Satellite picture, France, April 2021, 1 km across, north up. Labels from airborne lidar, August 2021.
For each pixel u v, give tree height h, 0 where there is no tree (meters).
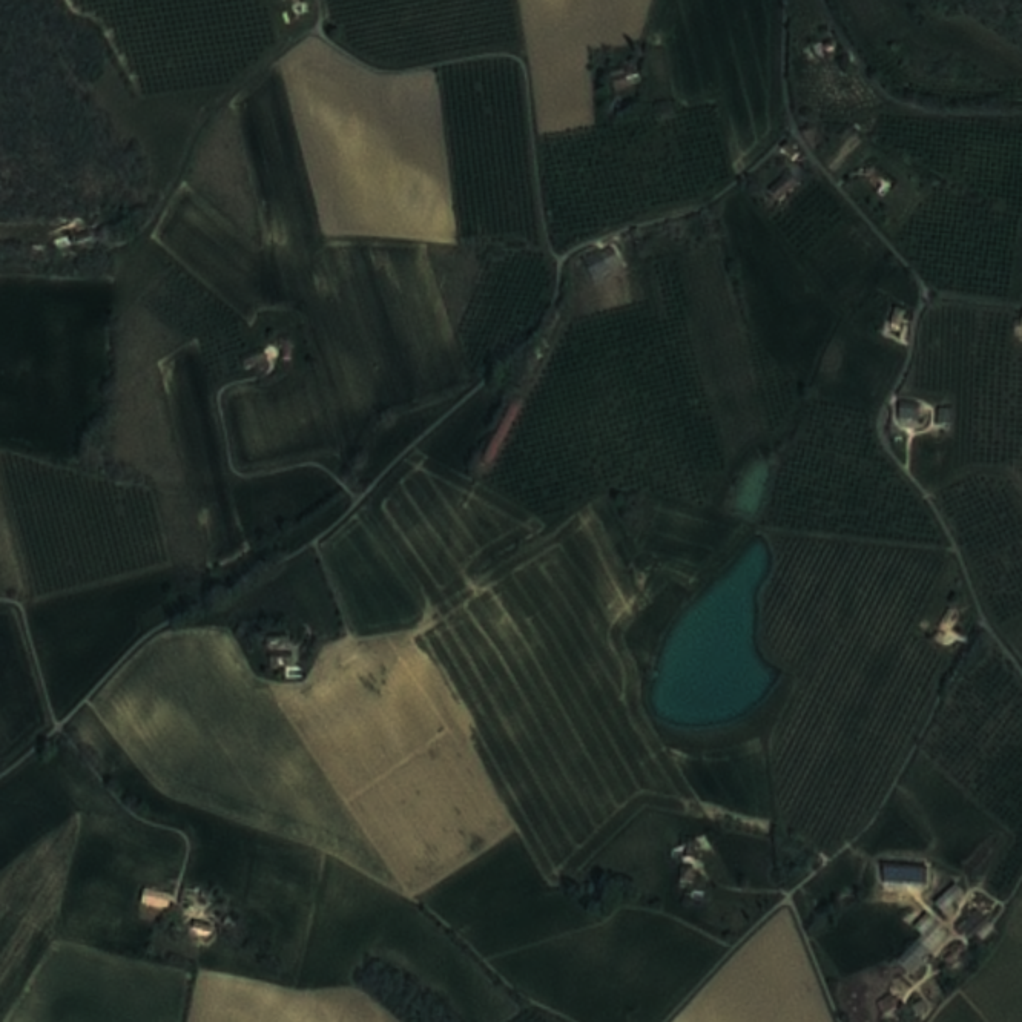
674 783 0
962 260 5
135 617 0
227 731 0
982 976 0
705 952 0
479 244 23
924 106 20
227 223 0
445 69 5
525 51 0
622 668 0
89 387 0
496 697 0
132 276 0
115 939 0
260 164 0
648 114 7
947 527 0
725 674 0
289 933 0
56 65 14
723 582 0
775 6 0
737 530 0
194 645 0
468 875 0
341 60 0
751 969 0
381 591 0
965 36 0
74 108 15
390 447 0
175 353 0
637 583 0
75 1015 0
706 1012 0
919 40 0
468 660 0
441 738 0
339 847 0
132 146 10
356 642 0
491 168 6
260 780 0
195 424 0
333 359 0
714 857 0
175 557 0
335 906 0
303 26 0
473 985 0
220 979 0
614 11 0
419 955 0
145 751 0
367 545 0
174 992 0
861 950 0
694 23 0
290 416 0
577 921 0
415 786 0
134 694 0
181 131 0
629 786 0
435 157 0
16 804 0
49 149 14
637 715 0
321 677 0
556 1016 0
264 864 0
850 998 0
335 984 0
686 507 0
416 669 0
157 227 0
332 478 0
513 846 0
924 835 0
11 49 12
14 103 17
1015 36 17
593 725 0
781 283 0
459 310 0
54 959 0
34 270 9
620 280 0
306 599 0
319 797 0
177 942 13
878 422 0
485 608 0
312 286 0
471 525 0
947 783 0
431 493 0
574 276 0
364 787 0
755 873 0
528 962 0
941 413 0
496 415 11
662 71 0
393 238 0
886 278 0
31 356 0
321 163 0
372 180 0
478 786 0
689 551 0
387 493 0
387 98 0
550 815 0
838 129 7
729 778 0
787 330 0
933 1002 0
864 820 0
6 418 0
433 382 0
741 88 0
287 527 18
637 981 0
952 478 0
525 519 0
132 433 0
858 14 0
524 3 0
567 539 0
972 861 0
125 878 0
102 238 14
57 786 0
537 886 0
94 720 0
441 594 0
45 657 0
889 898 0
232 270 0
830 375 0
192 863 0
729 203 0
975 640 11
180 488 0
